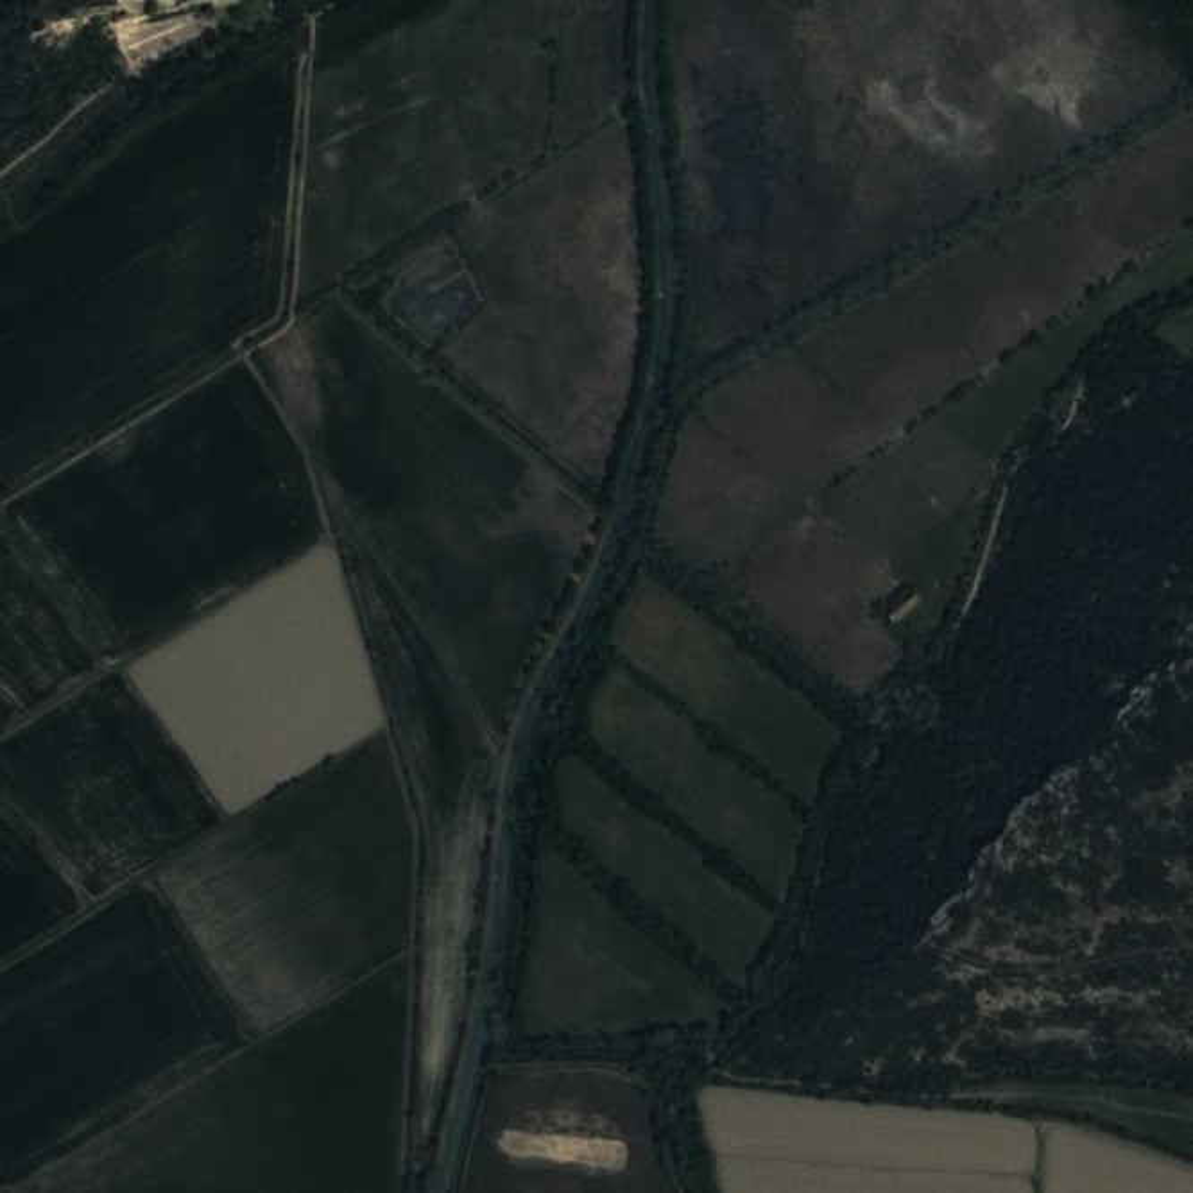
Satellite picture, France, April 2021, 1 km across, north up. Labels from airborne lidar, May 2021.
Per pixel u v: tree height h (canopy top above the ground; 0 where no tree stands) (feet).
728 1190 0
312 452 0
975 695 21
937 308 0
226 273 0
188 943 0
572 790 0
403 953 0
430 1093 0
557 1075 0
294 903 0
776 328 34
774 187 0
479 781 0
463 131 0
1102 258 0
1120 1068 25
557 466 23
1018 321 0
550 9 0
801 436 0
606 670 35
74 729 0
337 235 0
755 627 39
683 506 0
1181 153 0
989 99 0
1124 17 0
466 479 0
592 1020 0
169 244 0
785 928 36
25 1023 0
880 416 0
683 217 37
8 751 0
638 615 0
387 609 0
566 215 0
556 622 24
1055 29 0
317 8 25
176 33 0
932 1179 0
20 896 0
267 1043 0
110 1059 0
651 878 0
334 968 0
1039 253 0
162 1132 0
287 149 0
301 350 0
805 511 0
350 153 0
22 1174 0
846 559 0
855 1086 24
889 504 0
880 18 0
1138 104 0
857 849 25
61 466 0
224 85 24
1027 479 21
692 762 0
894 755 45
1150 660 19
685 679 0
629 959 0
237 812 0
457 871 0
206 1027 0
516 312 0
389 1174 0
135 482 0
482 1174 0
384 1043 0
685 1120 56
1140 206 0
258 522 0
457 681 0
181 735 0
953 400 27
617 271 0
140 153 0
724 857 25
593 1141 0
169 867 0
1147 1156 0
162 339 0
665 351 0
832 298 32
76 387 0
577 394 0
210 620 0
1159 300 27
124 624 0
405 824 0
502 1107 0
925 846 24
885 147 0
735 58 0
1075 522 21
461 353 0
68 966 0
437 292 0
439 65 0
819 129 0
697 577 39
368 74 0
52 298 0
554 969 0
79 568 0
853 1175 0
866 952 20
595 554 31
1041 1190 0
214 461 0
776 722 0
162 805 0
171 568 0
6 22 34
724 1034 34
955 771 24
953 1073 23
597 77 0
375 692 0
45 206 33
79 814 0
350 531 0
